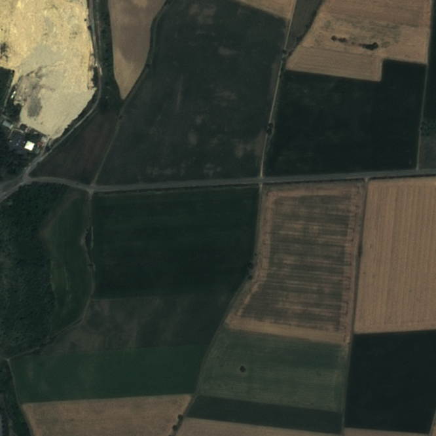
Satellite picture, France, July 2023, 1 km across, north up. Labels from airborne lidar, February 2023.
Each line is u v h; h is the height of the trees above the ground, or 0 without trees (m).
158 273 0
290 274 0
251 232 0
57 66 0
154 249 0
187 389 0
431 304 0
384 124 0
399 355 0
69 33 0
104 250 0
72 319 0
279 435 0
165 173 0
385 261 0
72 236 0
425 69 0
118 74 0
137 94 0
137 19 0
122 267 0
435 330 0
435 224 0
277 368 0
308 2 0
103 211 0
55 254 0
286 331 0
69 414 0
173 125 0
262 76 0
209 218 0
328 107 0
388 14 0
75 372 0
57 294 0
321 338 0
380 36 0
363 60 0
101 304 0
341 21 0
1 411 11
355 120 0
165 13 0
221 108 0
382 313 0
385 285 0
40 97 0
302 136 0
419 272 0
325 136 0
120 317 0
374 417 0
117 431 0
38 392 0
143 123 0
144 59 0
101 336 0
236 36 0
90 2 0
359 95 0
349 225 0
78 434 0
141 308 0
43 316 9
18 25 0
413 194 0
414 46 0
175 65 0
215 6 0
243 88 0
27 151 0
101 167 0
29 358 0
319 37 0
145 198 0
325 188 0
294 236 0
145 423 0
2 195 0
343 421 0
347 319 0
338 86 0
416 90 0
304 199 0
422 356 0
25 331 7
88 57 0
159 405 0
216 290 0
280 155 0
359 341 0
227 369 0
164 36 0
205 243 0
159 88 0
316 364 0
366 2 0
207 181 0
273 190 0
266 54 0
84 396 0
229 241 0
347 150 0
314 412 0
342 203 0
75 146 0
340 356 0
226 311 0
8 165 8
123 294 0
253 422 0
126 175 0
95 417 0
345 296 0
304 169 0
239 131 0
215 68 0
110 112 0
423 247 0
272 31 0
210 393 0
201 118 0
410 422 0
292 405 0
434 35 0
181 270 0
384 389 0
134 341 0
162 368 0
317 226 0
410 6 0
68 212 0
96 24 0
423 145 0
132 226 0
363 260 0
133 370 0
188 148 0
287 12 0
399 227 0
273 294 0
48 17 0
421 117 0
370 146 0
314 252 0
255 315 0
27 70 0
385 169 0
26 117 0
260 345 0
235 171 0
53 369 0
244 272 0
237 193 0
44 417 0
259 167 0
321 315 0
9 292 7
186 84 0
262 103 0
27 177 0
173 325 0
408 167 0
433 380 0
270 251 0
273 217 0
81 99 0
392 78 0
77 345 0
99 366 0
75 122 0
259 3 0
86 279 0
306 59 0
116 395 0
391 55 0
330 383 0
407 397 0
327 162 0
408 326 0
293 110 0
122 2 0
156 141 0
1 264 9
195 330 0
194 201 0
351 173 0
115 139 0
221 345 0
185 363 0
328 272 0
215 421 0
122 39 0
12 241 8
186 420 0
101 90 0
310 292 0
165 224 0
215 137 0
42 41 0
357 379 0
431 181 0
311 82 0
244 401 0
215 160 0
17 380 0
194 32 0
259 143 0
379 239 0
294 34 0
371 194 0
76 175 0
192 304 0
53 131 0
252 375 0
